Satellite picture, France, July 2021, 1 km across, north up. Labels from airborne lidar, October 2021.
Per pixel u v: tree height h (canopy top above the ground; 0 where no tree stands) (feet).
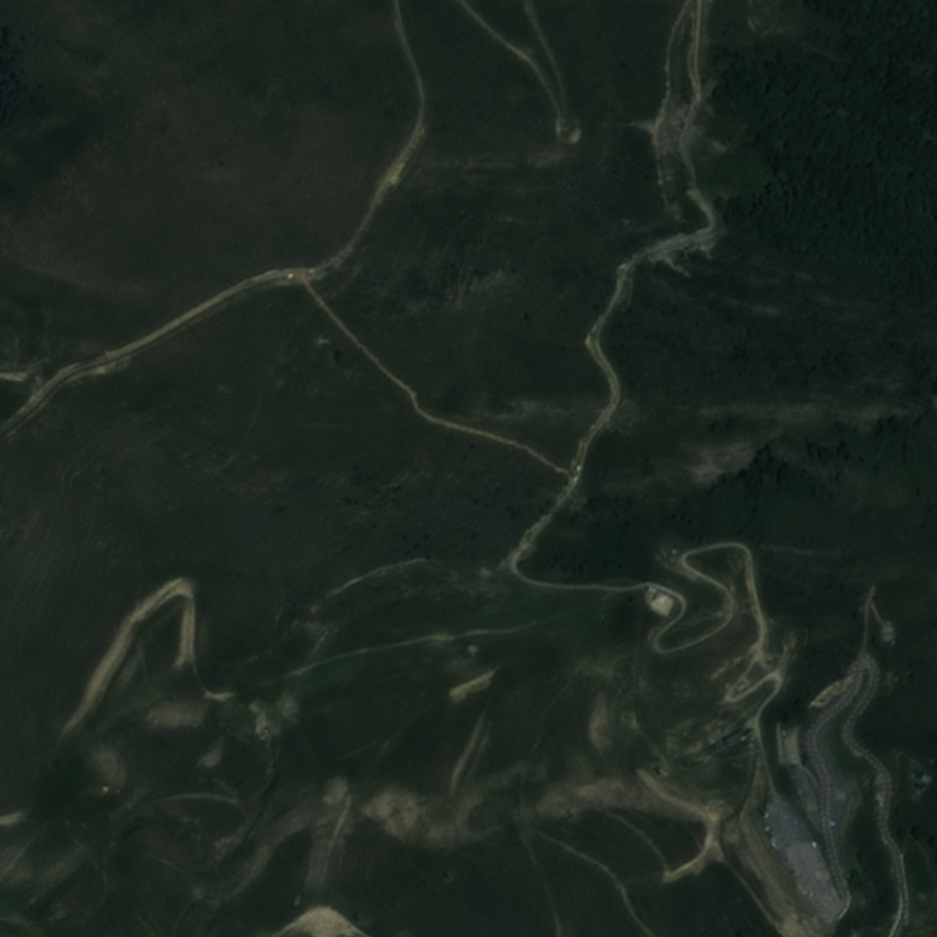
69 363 0
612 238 0
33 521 0
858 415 0
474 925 0
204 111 0
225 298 0
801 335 0
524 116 0
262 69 0
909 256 52
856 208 60
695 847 0
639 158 0
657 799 0
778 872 0
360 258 0
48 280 0
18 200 0
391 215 0
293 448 0
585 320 0
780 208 55
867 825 0
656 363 0
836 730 0
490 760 0
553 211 0
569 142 0
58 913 0
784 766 0
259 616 0
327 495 0
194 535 0
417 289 0
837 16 19
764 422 0
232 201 0
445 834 0
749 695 0
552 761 0
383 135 0
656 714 0
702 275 0
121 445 0
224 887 0
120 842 0
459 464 0
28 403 0
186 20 0
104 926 0
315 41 0
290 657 0
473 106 0
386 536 0
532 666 0
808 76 58
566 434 0
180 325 0
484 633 0
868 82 45
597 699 0
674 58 0
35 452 0
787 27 0
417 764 0
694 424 0
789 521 0
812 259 32
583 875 0
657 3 0
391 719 0
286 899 0
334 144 0
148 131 0
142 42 0
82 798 0
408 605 0
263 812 0
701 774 0
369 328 0
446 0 0
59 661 0
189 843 0
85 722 0
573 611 0
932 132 37
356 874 0
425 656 0
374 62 0
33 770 0
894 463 0
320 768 0
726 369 0
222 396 0
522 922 0
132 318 0
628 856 0
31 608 0
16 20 0
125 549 0
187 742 0
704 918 0
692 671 0
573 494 0
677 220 0
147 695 0
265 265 0
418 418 0
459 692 0
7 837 0
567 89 0
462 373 0
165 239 0
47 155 0
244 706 0
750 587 0
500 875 0
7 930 0
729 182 0
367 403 0
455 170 0
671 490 0
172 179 0
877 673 0
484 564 0
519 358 0
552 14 0
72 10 0
